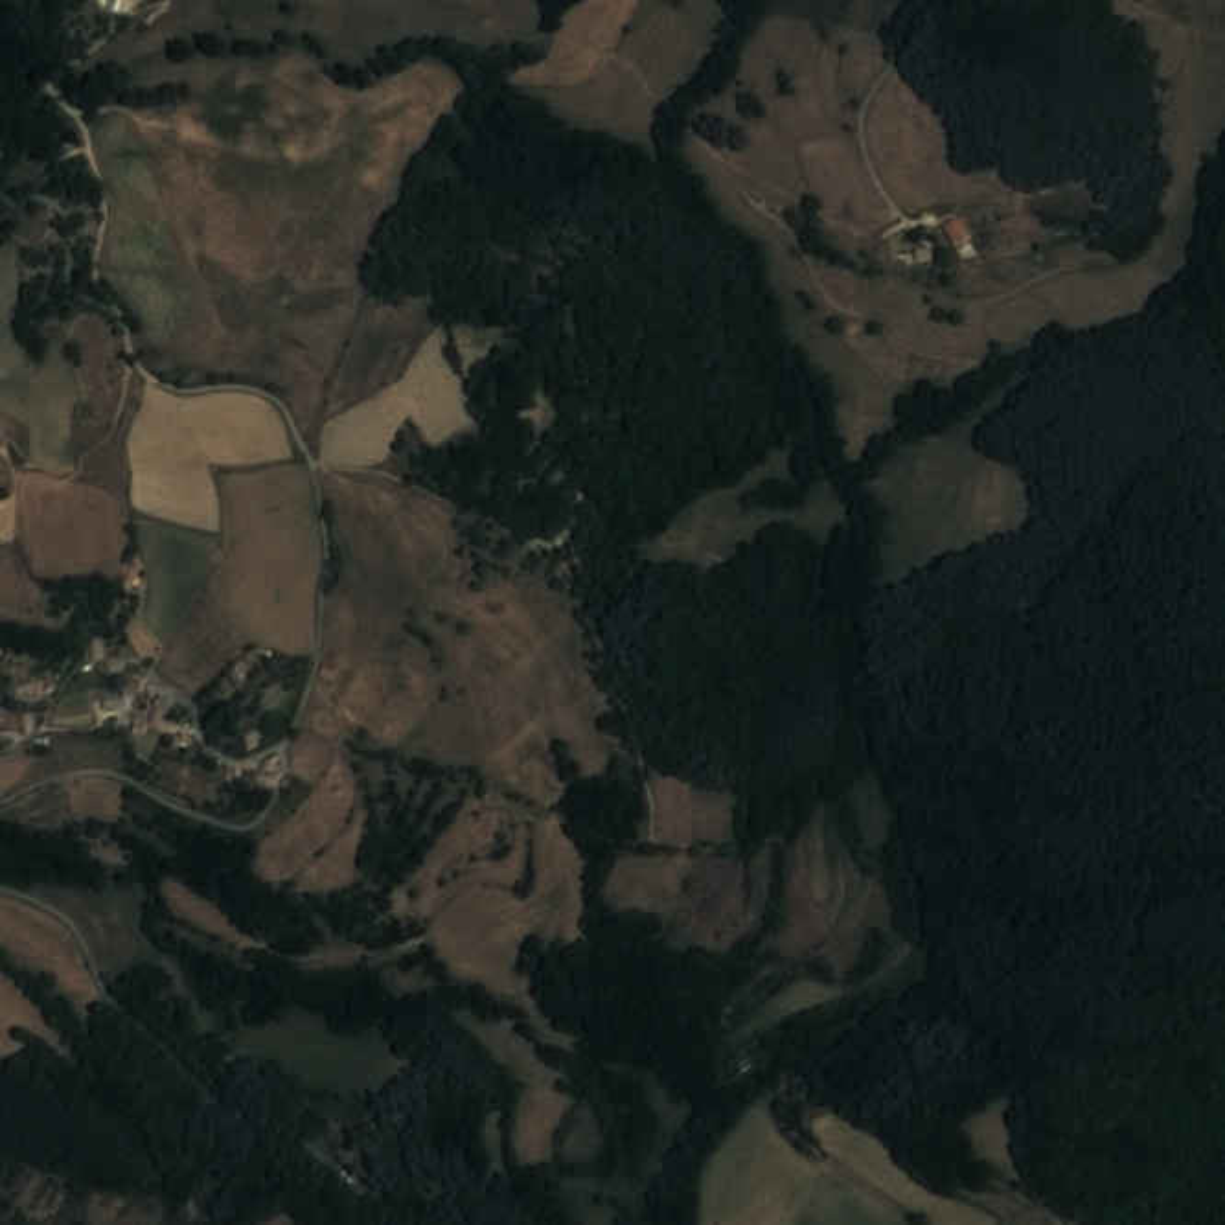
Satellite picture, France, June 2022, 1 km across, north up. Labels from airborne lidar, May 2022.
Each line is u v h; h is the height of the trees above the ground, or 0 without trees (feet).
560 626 0
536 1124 0
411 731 0
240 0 0
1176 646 59
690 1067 66
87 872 60
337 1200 74
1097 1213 54
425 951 39
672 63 0
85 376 0
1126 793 85
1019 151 68
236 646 0
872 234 0
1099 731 79
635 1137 41
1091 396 55
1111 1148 52
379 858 35
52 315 54
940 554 0
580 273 77
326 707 0
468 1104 53
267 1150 62
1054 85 62
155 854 31
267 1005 23
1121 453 73
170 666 0
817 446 63
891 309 0
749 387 68
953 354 0
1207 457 74
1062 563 50
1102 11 39
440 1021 61
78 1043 54
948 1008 37
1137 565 65
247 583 0
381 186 0
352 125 0
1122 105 54
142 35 0
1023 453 73
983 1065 60
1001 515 0
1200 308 71
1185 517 68
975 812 66
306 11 0
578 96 0
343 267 0
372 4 0
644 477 74
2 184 47
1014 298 0
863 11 0
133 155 0
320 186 0
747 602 52
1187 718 78
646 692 54
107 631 20
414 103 0
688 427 87
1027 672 89
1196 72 0
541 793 0
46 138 83
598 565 43
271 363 0
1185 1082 63
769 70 0
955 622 67
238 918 39
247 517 0
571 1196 0
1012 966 72
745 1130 0
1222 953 71
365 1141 80
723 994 38
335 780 0
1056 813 74
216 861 23
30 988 42
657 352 80
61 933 0
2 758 0
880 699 59
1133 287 0
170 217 0
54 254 34
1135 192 54
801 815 23
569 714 0
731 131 61
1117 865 85
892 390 0
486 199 75
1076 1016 64
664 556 0
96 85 88
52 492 0
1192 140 0
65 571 0
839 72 0
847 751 44
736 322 68
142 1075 57
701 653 67
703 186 43
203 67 0
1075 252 0
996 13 66
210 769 35
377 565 0
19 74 88
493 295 68
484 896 0
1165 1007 77
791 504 56
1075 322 0
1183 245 0
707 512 0
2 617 0
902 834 36
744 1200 0
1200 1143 62
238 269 0
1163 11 0
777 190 0
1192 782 58
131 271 0
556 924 0
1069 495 68
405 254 48
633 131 0
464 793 31
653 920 19
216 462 0
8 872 22
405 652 0
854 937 0
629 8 0
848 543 70
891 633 80
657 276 71
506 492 42
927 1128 72
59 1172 35
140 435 0
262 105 0
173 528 0
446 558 0
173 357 0
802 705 60
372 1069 0
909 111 0
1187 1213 64
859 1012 35
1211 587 69
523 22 0
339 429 0
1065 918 72
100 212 26
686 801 0
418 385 0
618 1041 50
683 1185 43
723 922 0
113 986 31
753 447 67
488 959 0
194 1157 52
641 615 71
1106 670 86
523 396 51
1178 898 55
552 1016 47
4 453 0
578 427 49
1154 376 92
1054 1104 60
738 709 67
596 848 38
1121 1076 68
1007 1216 0
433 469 48
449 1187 75
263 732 37
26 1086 47
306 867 0
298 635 0
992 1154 0
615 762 31
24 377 0
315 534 0
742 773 47
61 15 76
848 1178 0
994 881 68
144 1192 27
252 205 0
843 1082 49
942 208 0
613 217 59
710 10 0
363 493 0
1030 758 89
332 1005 28
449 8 0
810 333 0
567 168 81
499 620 0
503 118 73
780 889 25
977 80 74
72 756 0
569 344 70
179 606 0
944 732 81
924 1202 0
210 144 0
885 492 0
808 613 63
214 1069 53
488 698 0
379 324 0
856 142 0
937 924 67
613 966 56
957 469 0
